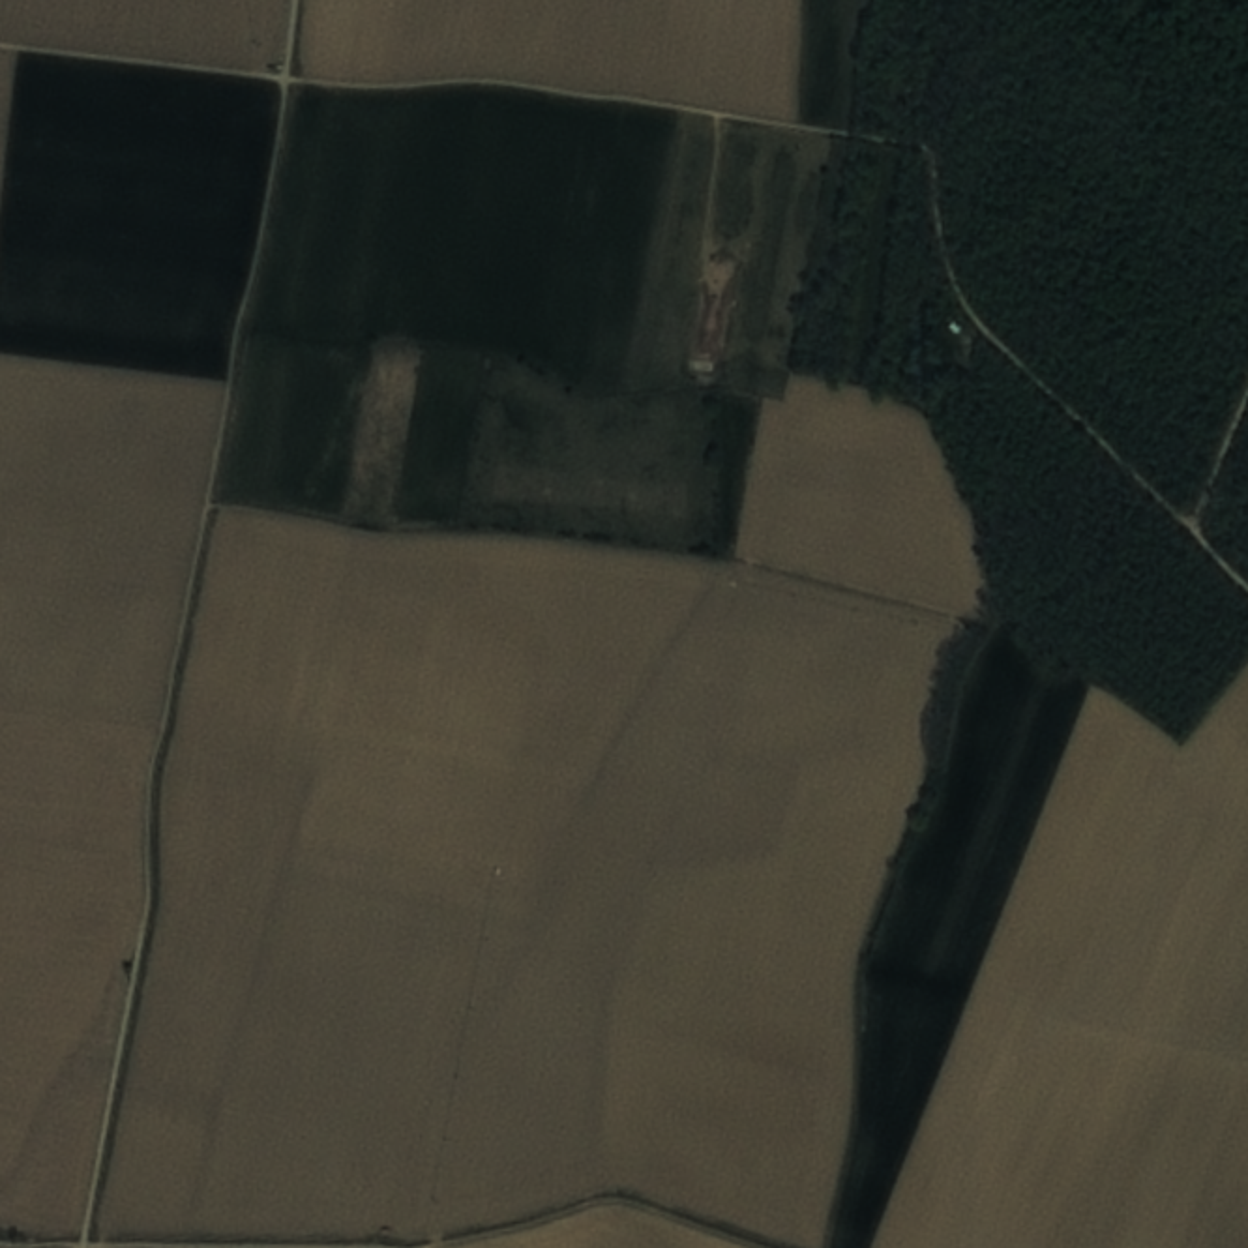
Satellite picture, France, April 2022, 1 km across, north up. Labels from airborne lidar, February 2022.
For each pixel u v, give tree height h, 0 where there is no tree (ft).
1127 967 0
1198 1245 0
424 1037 0
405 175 0
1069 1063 0
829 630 0
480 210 0
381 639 0
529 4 0
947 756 22
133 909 0
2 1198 0
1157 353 34
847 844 0
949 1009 0
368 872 0
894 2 49
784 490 0
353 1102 0
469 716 0
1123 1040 0
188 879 0
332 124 0
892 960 0
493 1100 0
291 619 0
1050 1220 0
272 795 0
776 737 0
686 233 0
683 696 0
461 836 0
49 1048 0
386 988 0
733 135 0
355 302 0
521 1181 0
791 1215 0
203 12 0
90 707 0
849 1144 0
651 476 0
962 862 0
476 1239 0
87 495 0
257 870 0
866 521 0
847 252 53
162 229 0
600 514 0
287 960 0
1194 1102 0
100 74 0
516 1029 0
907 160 41
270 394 0
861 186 44
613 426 0
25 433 0
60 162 0
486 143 0
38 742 0
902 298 41
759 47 0
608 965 0
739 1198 0
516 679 0
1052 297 47
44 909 0
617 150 0
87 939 0
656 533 0
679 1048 0
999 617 40
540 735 0
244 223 0
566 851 0
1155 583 41
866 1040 0
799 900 0
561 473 0
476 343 0
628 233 0
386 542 0
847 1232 0
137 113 0
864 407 0
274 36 0
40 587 0
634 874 0
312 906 0
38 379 0
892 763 0
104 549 0
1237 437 25
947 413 28
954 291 31
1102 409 46
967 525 0
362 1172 0
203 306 0
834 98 0
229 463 0
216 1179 0
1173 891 0
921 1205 0
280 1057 0
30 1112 0
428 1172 0
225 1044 0
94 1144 0
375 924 0
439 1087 0
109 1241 0
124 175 0
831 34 0
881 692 0
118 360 0
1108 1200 0
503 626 0
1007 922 0
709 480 0
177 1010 0
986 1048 0
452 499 0
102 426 0
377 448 0
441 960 0
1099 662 37
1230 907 0
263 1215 0
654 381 0
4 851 0
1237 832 0
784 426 0
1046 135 48
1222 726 0
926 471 0
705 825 0
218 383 0
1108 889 0
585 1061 0
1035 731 0
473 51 0
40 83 0
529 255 0
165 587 0
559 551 0
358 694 0
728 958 0
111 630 0
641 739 0
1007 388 38
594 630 0
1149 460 63
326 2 0
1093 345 48
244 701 0
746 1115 0
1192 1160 0
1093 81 40
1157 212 51
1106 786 0
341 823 0
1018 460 43
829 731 0
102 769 0
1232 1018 0
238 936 0
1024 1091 0
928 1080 0
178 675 0
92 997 0
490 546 0
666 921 0
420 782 0
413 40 0
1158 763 0
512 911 0
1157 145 46
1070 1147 0
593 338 0
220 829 0
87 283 0
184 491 0
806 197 0
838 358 46
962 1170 0
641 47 0
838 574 0
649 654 0
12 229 0
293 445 0
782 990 0
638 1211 0
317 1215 0
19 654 0
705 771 0
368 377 0
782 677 0
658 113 0
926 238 35
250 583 0
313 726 0
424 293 0
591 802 0
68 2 0
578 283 0
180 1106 0
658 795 0
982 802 0
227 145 0
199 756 0
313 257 0
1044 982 0
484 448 0
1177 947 0
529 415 0
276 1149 0
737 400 0
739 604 0
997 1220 0
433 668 0
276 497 0
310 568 0
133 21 0
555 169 0
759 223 0
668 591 0
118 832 0
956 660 44
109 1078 0
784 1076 0
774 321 0
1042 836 0
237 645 0
